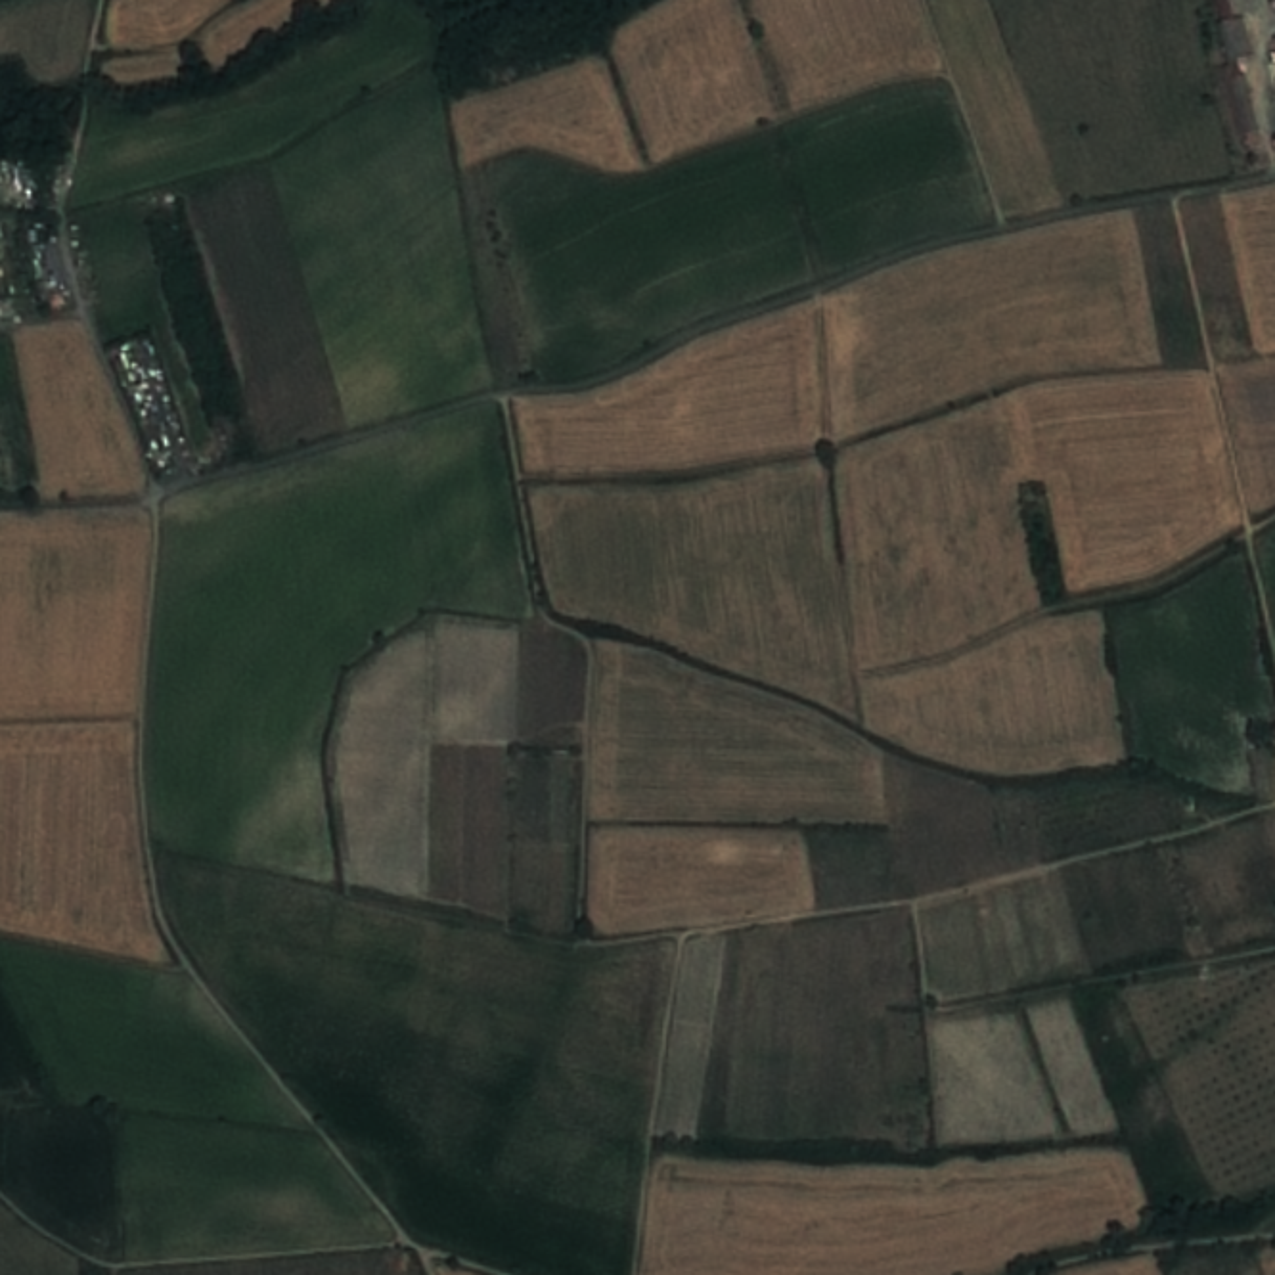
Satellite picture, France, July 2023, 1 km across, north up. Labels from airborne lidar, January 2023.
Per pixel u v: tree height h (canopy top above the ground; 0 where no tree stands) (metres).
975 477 0
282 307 0
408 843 0
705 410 0
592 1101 0
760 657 0
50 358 0
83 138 0
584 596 0
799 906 0
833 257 0
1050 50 0
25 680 0
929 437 0
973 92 0
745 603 0
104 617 0
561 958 0
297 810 0
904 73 0
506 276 0
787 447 0
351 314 0
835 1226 0
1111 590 0
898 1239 0
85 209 0
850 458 0
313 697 0
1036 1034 0
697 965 0
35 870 0
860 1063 0
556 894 0
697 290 0
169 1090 0
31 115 17
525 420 0
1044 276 0
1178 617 0
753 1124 0
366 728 0
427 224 0
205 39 0
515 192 0
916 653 0
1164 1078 0
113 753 0
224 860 0
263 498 0
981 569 0
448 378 0
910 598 0
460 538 0
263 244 0
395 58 0
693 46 0
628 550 0
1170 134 0
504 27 8
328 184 0
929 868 0
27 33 0
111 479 0
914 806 0
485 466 0
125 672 0
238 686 0
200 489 0
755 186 0
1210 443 0
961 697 0
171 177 0
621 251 0
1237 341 0
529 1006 0
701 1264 0
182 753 0
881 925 0
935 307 0
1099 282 0
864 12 0
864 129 0
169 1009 0
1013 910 0
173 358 0
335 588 0
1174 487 0
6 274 0
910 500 0
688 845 0
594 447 0
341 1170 0
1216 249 0
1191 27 0
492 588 0
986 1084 0
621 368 0
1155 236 0
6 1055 0
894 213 0
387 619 0
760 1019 0
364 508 0
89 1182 0
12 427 0
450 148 0
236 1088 0
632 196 0
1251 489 0
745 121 0
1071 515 0
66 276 0
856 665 0
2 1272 0
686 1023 0
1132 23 0
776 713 0
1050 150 0
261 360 0
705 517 0
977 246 0
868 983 0
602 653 0
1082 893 0
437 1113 0
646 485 0
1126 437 0
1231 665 0
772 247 0
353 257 0
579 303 0
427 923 0
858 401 0
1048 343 0
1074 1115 0
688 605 0
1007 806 0
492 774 0
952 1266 0
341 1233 0
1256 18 0
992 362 0
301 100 0
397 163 0
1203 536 0
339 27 13
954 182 0
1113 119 0
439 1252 0
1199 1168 0
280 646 0
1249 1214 10
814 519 0
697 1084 0
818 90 0
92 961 0
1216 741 0
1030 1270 9
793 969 0
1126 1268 0
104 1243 0
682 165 0
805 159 0
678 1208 0
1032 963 0
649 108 0
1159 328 0
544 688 0
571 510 0
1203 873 0
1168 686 0
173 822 0
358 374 0
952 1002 0
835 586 0
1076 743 0
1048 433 0
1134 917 0
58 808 0
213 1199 0
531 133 0
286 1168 0
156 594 0
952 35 0
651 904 0
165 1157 0
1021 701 0
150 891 0
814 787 0
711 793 0
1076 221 0
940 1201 0
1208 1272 0
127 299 0
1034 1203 0
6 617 0
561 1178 0
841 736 0
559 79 0
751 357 0
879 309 0
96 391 0
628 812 0
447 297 0
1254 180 0
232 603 0
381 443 0
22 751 0
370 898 0
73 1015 0
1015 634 0
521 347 0
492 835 0
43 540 0
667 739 0
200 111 0
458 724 0
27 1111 0
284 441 0
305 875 0
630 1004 0
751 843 0
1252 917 0
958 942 0
